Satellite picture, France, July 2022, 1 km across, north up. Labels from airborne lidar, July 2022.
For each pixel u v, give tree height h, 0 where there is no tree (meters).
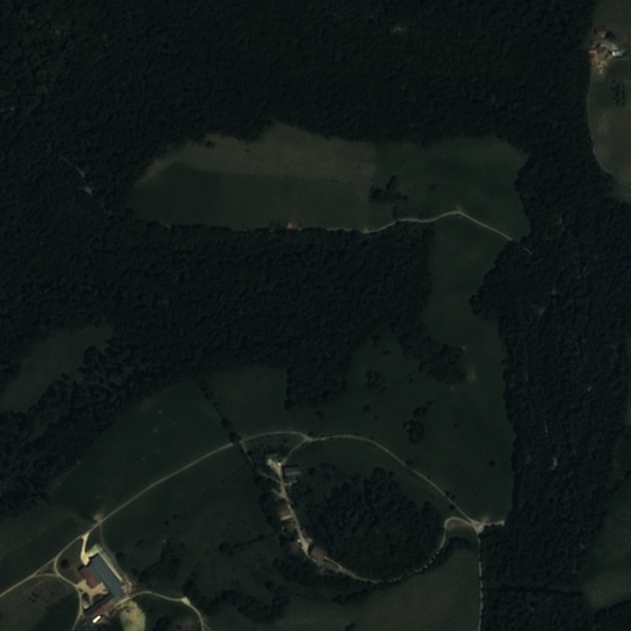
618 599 0
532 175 24
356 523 20
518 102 22
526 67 24
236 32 31
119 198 21
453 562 0
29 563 0
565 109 24
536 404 21
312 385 23
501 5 23
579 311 29
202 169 0
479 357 0
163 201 0
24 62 26
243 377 0
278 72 24
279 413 0
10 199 24
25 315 26
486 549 10
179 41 20
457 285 0
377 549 18
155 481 0
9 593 0
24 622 0
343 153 0
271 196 0
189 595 23
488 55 23
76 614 0
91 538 0
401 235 9
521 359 22
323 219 0
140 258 23
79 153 23
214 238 19
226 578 0
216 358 42
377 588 16
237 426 0
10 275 28
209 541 0
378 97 29
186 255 27
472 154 0
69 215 26
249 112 23
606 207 18
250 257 25
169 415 0
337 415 0
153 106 28
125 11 25
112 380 15
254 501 0
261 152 0
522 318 22
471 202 0
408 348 11
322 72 22
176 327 19
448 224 0
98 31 24
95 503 0
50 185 23
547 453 21
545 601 20
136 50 21
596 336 14
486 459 0
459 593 0
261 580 0
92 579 0
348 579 12
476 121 29
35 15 26
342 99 25
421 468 0
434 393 0
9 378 30
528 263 19
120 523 0
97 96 23
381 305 25
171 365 24
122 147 22
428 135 23
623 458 0
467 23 18
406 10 19
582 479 9
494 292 25
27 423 30
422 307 15
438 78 22
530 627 30
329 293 29
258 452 7
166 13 25
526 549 26
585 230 18
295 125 18
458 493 0
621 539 0
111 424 20
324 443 0
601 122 0
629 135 0
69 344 0
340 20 24
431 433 0
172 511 0
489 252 0
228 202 0
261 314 24
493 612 25
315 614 0
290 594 12
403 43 25
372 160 0
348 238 22
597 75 0
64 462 31
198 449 0
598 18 0
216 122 26
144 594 0
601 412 13
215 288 20
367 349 0
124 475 0
